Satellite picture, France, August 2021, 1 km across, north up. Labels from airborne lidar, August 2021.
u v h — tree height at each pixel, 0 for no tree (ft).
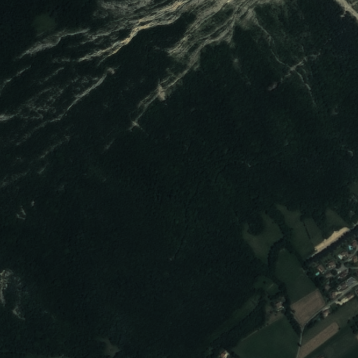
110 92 40
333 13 53
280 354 0
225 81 33
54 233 69
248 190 75
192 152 47
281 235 0
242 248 73
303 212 35
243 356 0
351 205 52
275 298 32
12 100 40
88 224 34
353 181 24
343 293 0
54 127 45
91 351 60
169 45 23
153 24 19
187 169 53
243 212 62
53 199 58
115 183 31
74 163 42
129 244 47
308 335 0
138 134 32
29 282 50
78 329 47
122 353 44
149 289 52
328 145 61
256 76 49
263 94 51
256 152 39
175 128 59
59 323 26
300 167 49
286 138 31
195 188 54
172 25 35
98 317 35
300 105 36
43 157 26
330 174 63
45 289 47
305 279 0
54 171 46
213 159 66
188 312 48
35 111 22
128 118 48
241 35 49
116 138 36
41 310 31
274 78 62
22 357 62
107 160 33
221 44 25
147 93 38
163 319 44
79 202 30
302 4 40
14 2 53
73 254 42
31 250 79
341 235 0
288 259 0
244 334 57
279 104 59
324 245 0
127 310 45
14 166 31
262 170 54
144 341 32
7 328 66
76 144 41
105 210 42
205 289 54
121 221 33
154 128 51
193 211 83
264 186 67
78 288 51
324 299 0
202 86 59
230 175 88
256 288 46
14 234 88
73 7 64
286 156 54
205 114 54
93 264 41
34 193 42
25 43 25
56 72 54
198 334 57
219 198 78
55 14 54
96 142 43
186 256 76
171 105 61
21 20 62
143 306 47
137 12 25
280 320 0
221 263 83
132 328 37
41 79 26
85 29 29
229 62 39
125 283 47
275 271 70
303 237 0
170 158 51
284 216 49
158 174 69
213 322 57
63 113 19
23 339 73
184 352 44
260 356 0
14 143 38
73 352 42
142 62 38
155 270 55
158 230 30
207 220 70
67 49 58
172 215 23
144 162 39
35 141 38
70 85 28
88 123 40
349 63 31
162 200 57
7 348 89
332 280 32
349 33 35
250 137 41
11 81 44
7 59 67
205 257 78
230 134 56
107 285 51
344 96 72
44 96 30
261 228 86
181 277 33
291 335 0
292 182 79
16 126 43
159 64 49
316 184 59
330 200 52
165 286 45
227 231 76
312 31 20
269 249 0
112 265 44
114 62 59
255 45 19
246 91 34
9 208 39
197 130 31
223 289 42
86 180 30
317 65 42
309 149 75
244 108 29
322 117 27
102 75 80
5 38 79
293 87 30
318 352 0
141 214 44
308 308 0
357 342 0
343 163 46
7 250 68
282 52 26
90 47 26
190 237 71
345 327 0
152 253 32
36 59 43
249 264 40
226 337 47
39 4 46
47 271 88
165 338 52
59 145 45
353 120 53
